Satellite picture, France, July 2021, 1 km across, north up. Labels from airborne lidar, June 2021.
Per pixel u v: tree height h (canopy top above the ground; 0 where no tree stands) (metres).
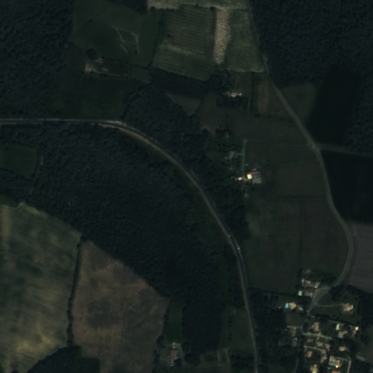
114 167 9
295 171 0
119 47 0
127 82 0
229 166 8
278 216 0
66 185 17
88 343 0
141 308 0
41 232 0
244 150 0
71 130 18
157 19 0
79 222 16
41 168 9
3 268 0
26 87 22
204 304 21
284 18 15
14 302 0
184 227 16
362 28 28
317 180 0
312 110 0
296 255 0
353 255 0
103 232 18
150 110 23
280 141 0
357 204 0
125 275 0
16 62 20
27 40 23
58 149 24
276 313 16
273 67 20
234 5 0
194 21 0
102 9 0
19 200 14
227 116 8
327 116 0
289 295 6
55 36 23
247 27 0
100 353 0
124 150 21
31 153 0
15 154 0
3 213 0
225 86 7
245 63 0
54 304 0
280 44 15
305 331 11
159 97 14
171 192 25
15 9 23
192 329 19
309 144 0
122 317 0
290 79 20
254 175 0
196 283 20
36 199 14
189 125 12
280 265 0
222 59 0
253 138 0
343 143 0
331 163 0
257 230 0
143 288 0
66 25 15
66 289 0
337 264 0
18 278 0
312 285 0
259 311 19
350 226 0
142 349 0
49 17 16
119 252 16
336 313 0
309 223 0
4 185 12
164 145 22
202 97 17
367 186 0
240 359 16
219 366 0
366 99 14
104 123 0
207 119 0
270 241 0
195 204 18
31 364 0
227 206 6
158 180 23
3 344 0
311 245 0
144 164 25
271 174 0
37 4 18
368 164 0
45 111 22
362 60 21
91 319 0
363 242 0
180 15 0
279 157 0
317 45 27
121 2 18
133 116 16
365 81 12
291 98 0
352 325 6
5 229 0
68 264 0
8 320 0
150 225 16
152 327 0
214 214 0
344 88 0
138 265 14
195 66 0
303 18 15
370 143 16
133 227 16
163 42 0
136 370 0
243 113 0
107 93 7
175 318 0
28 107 21
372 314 9
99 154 25
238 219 5
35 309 0
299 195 0
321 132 0
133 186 16
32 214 0
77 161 20
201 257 18
